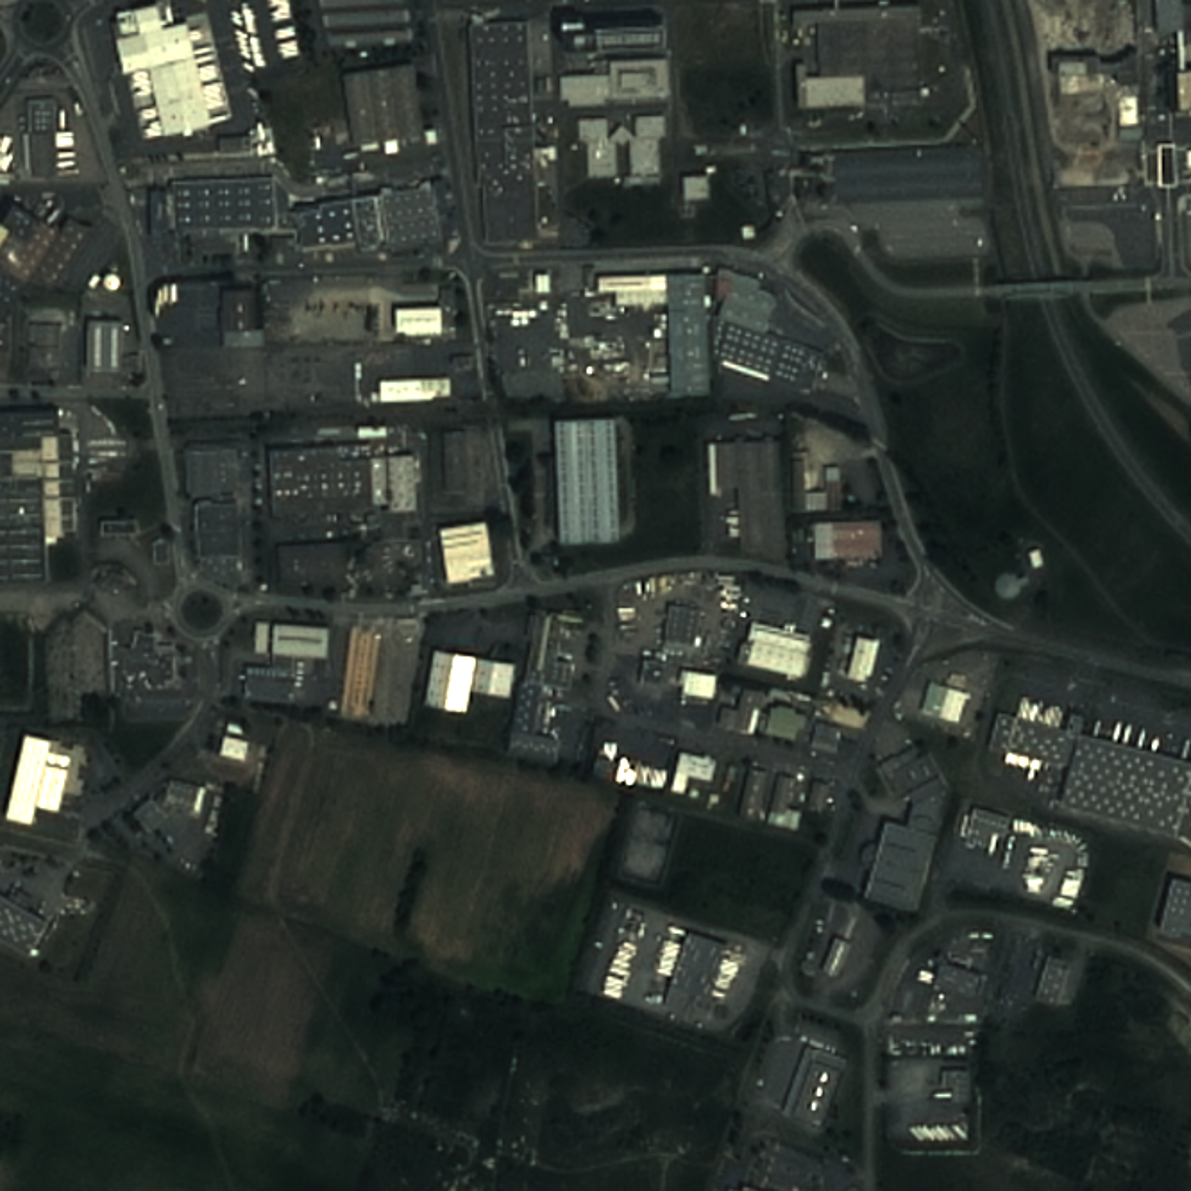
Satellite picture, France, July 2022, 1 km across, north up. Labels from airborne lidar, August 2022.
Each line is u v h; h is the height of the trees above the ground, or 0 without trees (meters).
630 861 0
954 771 0
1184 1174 0
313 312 0
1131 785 0
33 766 0
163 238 0
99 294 0
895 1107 0
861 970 0
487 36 0
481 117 0
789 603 0
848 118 0
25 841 0
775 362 0
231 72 0
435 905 0
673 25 0
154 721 0
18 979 0
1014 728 0
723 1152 0
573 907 0
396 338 0
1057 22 0
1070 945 0
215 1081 0
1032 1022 0
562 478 0
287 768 0
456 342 0
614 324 0
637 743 0
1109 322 0
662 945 0
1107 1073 0
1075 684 0
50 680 0
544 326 0
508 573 0
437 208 0
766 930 0
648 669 0
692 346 0
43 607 0
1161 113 0
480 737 0
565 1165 0
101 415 0
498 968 0
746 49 0
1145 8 0
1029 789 0
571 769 6
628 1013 7
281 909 0
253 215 0
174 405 0
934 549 15
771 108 0
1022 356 0
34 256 0
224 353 0
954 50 0
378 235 0
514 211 0
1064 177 0
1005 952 0
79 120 0
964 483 0
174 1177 0
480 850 0
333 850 0
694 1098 0
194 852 0
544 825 0
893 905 7
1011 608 0
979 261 0
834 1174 0
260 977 0
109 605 0
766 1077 0
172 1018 0
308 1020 0
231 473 0
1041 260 0
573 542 0
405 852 0
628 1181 0
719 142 0
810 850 0
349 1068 0
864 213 0
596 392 0
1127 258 0
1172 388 0
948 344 0
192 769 0
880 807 0
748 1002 0
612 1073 0
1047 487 0
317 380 0
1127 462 0
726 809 0
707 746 0
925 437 0
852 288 0
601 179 0
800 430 0
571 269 0
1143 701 0
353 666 0
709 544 0
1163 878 0
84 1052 0
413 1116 0
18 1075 0
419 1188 0
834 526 0
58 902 0
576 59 0
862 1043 0
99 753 0
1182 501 0
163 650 0
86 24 0
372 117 0
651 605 0
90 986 0
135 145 0
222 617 0
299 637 0
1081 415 0
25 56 0
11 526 0
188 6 0
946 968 0
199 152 0
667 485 0
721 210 0
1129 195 0
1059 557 0
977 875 0
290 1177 0
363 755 0
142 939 0
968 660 0
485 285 0
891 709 0
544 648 0
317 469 0
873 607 0
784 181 0
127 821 8
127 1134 0
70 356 0
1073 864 0
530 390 0
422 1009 11
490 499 0
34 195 0
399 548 0
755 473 0
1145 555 0
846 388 0
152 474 0
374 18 0
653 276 0
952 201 0
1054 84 0
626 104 0
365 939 0
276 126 0
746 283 0
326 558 0
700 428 0
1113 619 0
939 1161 0
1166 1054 0
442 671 0
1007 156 0
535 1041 0
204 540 0
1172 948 0
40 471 0
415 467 0
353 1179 0
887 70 0
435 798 0
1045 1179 0
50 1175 0
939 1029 0
